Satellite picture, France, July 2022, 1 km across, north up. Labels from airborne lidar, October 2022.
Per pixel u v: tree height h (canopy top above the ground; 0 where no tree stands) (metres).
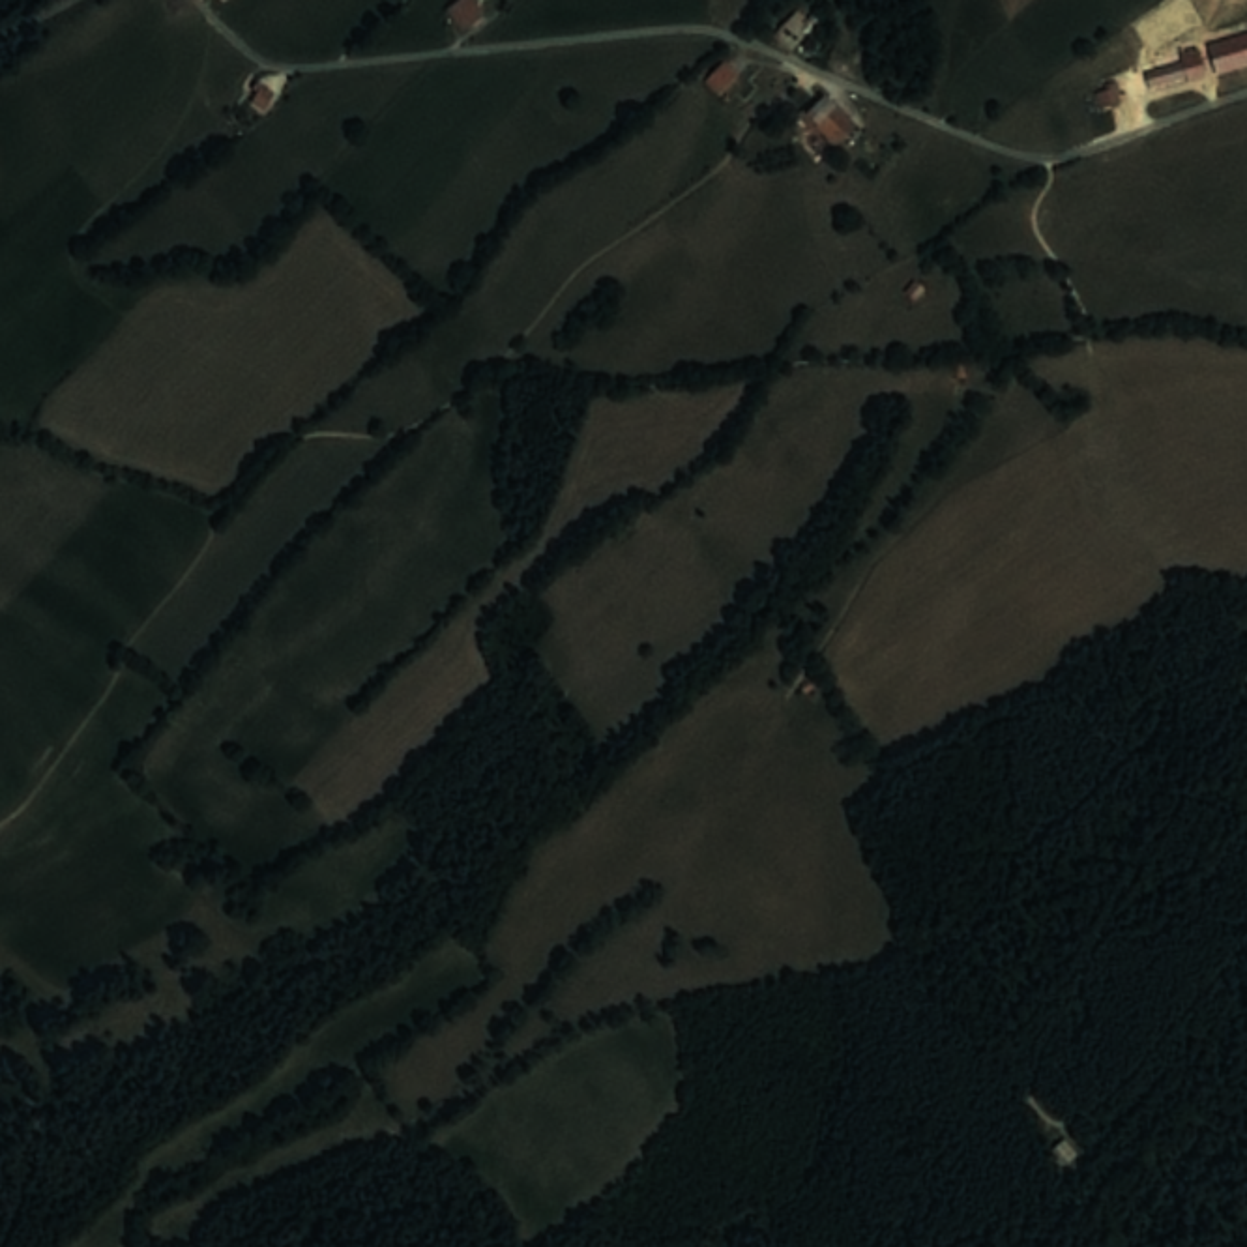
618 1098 0
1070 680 23
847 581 0
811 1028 11
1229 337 16
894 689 0
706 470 15
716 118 0
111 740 0
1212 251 0
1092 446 0
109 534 0
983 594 0
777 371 10
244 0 0
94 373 0
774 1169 14
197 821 0
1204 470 0
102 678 0
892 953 19
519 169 0
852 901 0
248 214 0
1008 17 0
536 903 0
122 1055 14
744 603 23
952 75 0
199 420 0
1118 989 23
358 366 0
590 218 0
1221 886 26
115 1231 0
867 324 0
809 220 0
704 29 0
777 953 0
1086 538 0
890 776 23
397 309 0
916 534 0
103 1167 18
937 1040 27
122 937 0
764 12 16
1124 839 8
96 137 0
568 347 14
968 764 17
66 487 0
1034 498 0
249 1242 17
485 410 0
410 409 0
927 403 0
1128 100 0
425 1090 0
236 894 7
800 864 0
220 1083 24
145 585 0
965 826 17
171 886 0
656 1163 14
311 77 0
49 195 0
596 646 0
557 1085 0
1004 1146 26
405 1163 26
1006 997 27
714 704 0
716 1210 19
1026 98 0
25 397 0
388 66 0
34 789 0
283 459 12
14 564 0
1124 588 0
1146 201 0
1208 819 21
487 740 22
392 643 0
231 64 0
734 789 0
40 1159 29
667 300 0
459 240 0
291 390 0
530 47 0
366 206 0
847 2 19
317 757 0
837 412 0
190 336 0
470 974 0
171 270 20
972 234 0
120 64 0
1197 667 23
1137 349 0
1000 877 20
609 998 0
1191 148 0
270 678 0
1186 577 24
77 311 0
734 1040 13
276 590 17
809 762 0
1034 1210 24
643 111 21
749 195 0
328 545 0
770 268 0
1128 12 0
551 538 0
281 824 0
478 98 0
